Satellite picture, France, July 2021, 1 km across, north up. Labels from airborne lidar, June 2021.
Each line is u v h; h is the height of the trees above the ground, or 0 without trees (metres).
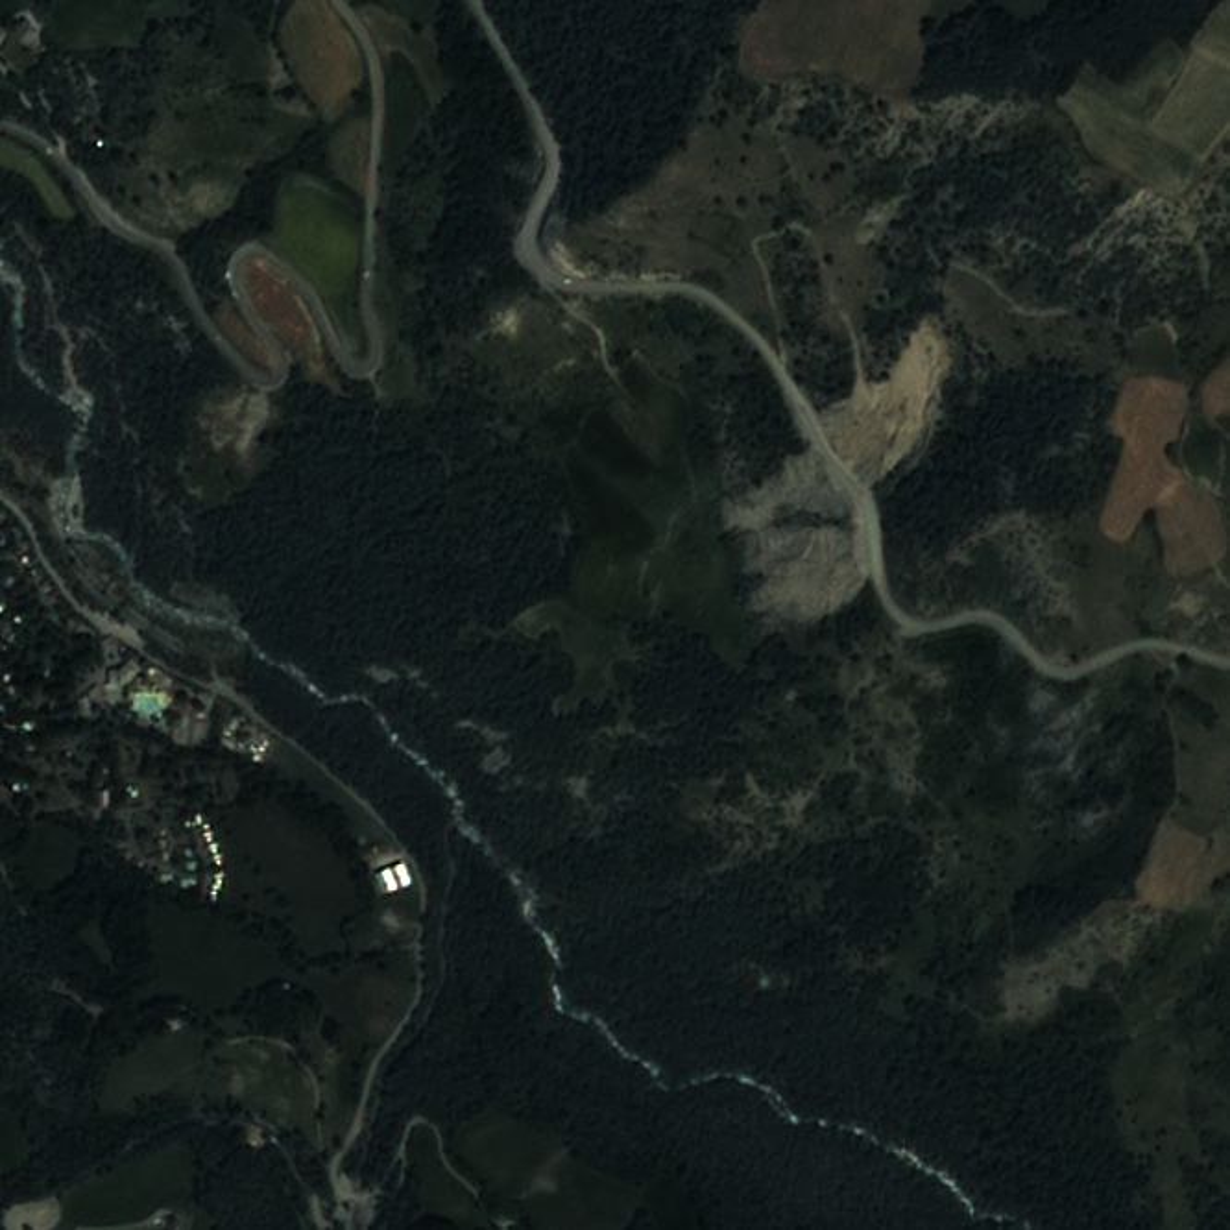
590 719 6
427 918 11
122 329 11
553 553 7
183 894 11
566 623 0
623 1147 14
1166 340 0
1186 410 0
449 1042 11
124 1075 0
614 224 0
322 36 0
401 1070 11
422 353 7
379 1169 14
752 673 6
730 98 12
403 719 7
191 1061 0
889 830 8
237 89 6
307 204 0
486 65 16
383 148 0
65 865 0
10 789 17
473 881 12
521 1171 0
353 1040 0
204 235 12
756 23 0
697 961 9
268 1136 10
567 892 7
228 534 9
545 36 10
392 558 6
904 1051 13
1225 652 0
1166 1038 0
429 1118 8
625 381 0
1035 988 0
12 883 9
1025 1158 6
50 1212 0
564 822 6
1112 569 0
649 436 0
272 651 9
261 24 8
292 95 15
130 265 14
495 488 6
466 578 11
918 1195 8
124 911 17
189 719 0
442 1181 0
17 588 13
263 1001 14
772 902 6
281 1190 13
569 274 0
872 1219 10
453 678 9
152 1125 11
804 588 0
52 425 8
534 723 8
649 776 7
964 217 11
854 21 0
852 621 8
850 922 8
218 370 11
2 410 6
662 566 0
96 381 9
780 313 0
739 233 0
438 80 0
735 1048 9
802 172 0
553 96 7
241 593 10
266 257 0
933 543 6
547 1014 13
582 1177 0
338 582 10
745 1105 9
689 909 7
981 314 0
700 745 6
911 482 11
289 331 0
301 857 0
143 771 9
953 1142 11
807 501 0
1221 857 0
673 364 0
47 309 6
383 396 0
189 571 7
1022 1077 9
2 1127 0
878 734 0
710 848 7
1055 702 0
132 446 9
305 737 8
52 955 14
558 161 0
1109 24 12
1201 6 11
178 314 8
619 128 8
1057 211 8
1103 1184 7
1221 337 0
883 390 0
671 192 0
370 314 0
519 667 10
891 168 10
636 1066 10
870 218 0
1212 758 0
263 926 12
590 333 0
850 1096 10
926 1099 9
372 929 0
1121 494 0
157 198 0
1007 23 14
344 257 0
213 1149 13
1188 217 0
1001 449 7
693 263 0
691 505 0
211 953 0
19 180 6
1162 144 0
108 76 9
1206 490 0
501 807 6
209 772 9
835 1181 8
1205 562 0
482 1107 7
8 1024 16
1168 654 0
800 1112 10
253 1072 0
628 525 0
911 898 11
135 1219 0
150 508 8
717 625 0
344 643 15
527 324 0
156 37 6
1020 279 7
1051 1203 12
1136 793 7
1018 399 9
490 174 10
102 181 11
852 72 0
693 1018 11
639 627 8
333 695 8
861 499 0
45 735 13
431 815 12
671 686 8
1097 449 8
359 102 10
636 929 8
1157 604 0
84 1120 9
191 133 0
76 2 0
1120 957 0
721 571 0
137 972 15
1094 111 0
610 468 0
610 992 9
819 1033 13
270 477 12
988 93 7
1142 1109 0
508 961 14
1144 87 0
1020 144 6
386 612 9
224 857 7
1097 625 0
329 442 15
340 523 9
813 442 0
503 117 11
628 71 14
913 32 0
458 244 11
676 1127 10
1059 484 10
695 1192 11
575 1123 7
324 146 8
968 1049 13
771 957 9
